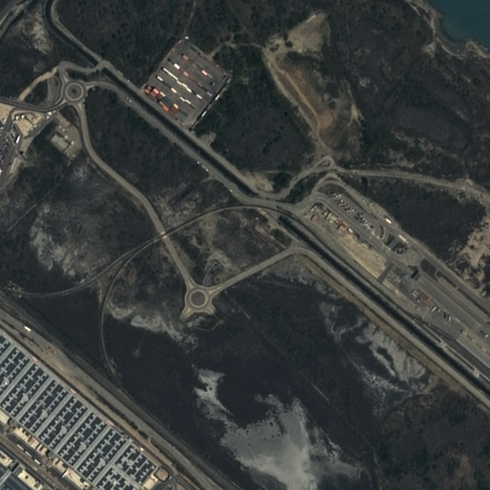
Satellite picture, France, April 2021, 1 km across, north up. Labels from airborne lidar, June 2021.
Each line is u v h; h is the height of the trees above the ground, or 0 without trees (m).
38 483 0
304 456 0
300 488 0
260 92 7
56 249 0
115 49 0
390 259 0
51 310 0
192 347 0
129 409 0
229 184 0
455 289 0
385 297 0
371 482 0
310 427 0
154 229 0
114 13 7
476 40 0
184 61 0
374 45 0
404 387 0
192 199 0
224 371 0
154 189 0
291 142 0
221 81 0
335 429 0
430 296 0
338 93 0
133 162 0
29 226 0
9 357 0
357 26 0
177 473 0
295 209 0
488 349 0
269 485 0
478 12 0
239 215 0
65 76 0
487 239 0
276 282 0
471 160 0
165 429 0
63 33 0
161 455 0
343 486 0
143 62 8
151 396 0
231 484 0
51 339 0
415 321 0
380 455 6
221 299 0
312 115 0
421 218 0
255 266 0
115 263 0
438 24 0
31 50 0
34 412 0
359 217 0
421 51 0
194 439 0
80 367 0
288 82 0
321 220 0
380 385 0
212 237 0
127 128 6
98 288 0
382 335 0
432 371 0
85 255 0
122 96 0
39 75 0
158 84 0
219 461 0
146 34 5
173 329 0
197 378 0
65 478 0
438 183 0
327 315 0
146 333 0
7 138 0
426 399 0
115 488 0
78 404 0
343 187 0
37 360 0
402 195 6
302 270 0
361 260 0
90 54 0
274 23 5
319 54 0
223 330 0
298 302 0
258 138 0
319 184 0
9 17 0
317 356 6
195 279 0
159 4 0
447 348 0
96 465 0
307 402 0
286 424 0
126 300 0
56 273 0
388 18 0
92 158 0
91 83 0
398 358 0
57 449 0
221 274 0
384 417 0
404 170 0
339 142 0
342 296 0
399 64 0
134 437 0
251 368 0
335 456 0
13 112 0
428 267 0
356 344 0
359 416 0
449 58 0
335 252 0
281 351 0
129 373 0
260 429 0
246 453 0
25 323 0
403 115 0
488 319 0
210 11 7
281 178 8
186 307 0
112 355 0
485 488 9
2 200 0
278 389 0
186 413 0
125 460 0
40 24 0
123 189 0
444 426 0
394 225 0
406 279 0
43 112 0
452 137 0
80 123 0
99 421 0
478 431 0
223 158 0
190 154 0
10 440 0
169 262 0
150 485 0
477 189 0
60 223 0
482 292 0
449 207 0
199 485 0
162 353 0
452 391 0
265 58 0
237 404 0
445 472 0
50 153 5
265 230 0
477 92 0
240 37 9
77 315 0
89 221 0
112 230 0
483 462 0
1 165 0
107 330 0
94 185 0
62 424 0
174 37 5
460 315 0
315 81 0
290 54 0
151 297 0
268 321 0
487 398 0
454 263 0
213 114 5
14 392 0
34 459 0
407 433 0
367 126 8
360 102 6
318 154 0
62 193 6
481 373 0
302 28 0
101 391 0
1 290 0
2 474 0
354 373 0
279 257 0
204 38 6
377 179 0
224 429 0
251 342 0
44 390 0
